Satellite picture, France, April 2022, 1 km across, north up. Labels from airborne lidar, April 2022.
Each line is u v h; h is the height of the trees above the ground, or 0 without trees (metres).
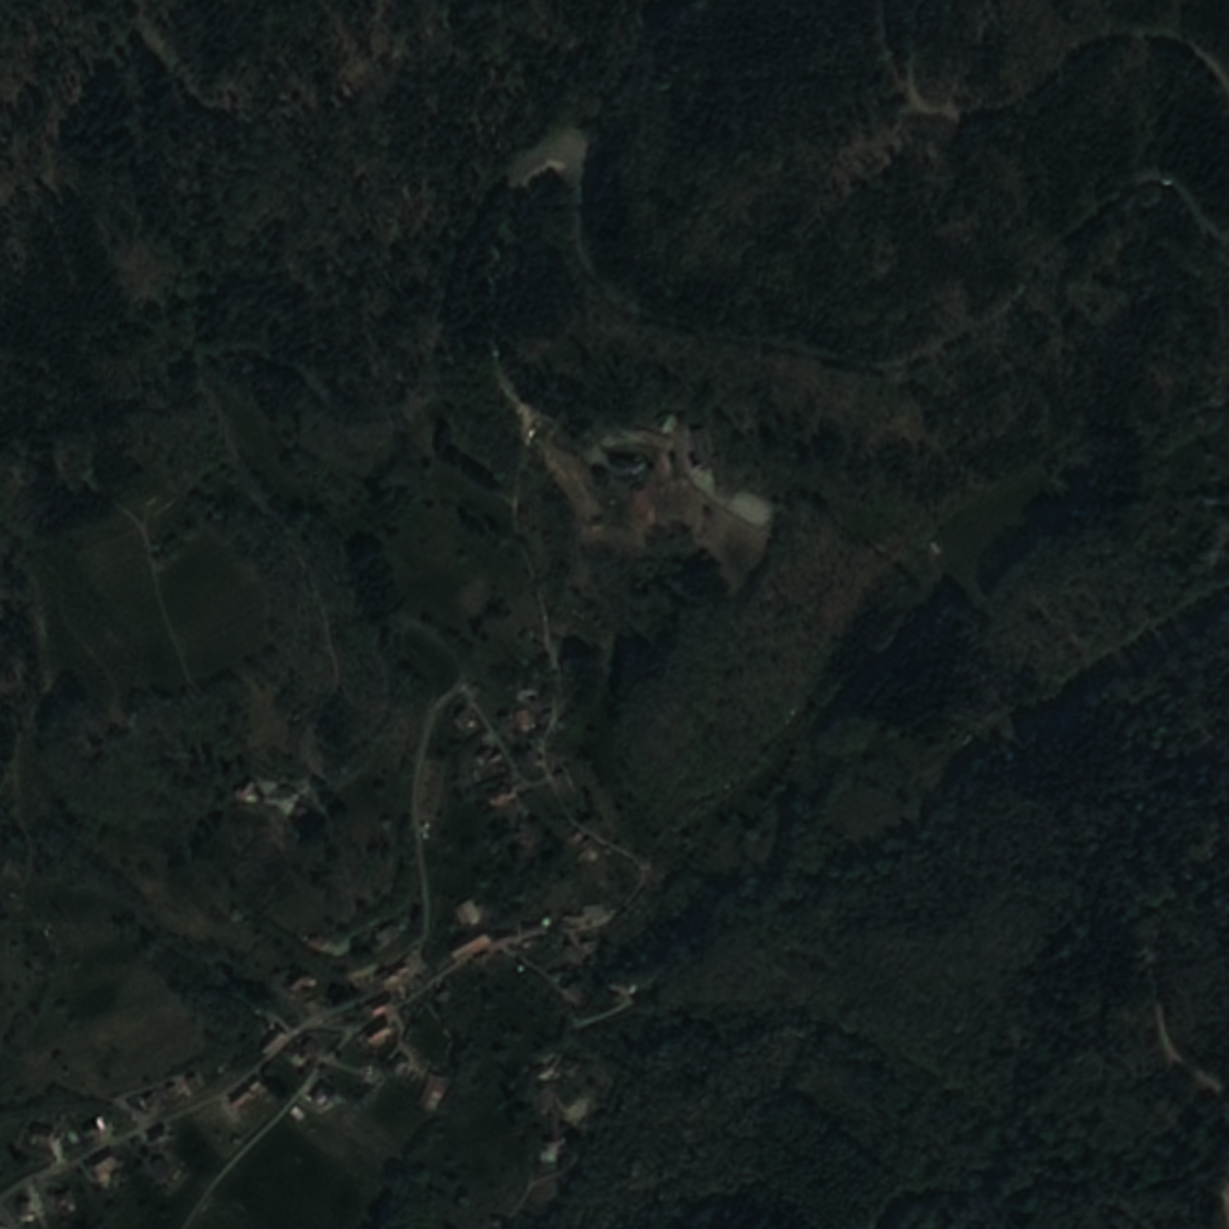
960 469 21
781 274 15
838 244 15
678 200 19
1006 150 18
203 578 0
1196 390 16
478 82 30
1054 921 24
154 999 0
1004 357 16
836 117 17
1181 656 23
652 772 18
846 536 17
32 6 21
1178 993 19
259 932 7
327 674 20
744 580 0
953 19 14
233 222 18
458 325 28
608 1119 10
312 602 19
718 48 21
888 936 19
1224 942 15
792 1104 22
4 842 27
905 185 12
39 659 30
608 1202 14
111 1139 0
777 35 19
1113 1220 26
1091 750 30
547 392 20
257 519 27
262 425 0
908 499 15
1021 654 23
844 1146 24
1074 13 22
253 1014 13
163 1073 0
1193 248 14
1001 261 21
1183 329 13
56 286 24
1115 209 19
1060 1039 18
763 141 17
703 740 17
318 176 23
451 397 17
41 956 12
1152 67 20
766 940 19
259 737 0
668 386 17
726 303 18
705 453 0
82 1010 0
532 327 26
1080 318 25
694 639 24
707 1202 13
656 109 22
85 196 16
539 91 27
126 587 0
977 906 24
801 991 27
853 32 17
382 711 18
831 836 8
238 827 8
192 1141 0
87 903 0
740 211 18
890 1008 26
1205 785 28
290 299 27
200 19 20
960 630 29
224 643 0
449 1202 7
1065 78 23
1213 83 18
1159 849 26
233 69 23
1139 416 19
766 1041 16
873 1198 24
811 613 23
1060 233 21
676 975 19
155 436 13
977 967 23
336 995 6
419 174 26
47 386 16
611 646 0
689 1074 15
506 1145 0
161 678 0
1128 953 28
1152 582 25
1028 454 18
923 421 13
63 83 30
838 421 18
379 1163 0
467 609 0
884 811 0
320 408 22
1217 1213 27
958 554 0
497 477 11
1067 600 23
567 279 27
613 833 0
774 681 25
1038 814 23
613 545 0
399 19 27
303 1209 0
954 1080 22
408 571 0
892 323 17
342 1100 0
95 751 19
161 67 19
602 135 15
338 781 18
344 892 17
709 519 10
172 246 22
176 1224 0
